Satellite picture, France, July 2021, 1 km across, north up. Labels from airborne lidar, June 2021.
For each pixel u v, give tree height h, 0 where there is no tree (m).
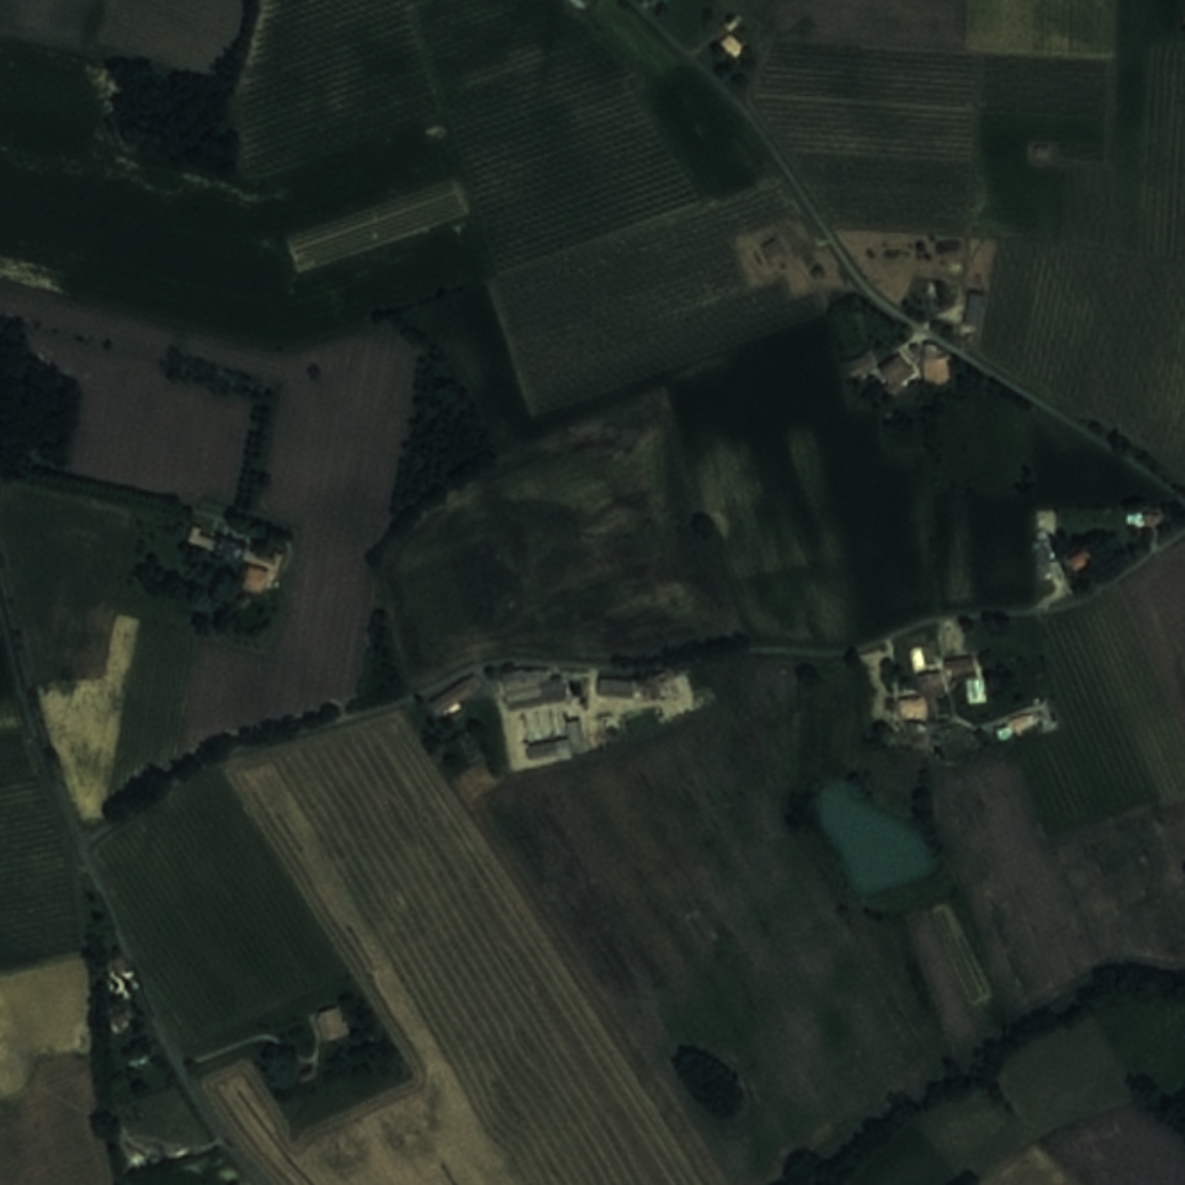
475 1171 0
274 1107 0
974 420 0
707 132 0
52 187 0
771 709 0
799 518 0
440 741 9
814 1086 0
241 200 0
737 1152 0
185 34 0
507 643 0
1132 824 0
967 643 0
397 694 7
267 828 0
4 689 0
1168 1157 0
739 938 0
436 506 11
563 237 0
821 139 0
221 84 16
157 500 11
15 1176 0
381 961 0
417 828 0
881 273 0
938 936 0
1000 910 0
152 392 0
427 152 0
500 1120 0
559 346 0
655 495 0
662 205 0
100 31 0
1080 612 0
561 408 0
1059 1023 9
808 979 0
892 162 0
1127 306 0
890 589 0
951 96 0
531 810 0
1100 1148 0
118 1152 12
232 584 24
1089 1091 0
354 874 0
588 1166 0
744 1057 0
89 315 0
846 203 0
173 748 0
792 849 0
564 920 0
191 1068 11
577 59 0
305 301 0
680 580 0
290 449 0
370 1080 0
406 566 0
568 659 0
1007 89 0
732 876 0
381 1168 0
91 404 0
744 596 0
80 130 0
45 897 0
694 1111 0
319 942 0
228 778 0
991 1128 0
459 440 12
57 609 0
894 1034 0
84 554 0
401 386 0
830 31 0
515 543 0
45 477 13
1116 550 18
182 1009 0
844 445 0
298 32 0
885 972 0
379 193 0
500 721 0
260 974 0
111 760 0
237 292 0
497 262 0
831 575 0
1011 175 0
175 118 18
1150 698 0
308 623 0
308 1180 0
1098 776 0
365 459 0
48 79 0
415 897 0
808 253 0
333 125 0
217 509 0
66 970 0
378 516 0
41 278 0
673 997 0
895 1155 0
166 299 0
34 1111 0
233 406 0
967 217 0
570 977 0
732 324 0
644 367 0
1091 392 0
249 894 0
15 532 0
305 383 0
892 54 0
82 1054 0
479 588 0
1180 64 0
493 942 0
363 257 0
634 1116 0
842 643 0
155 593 11
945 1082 7
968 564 0
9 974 0
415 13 0
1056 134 0
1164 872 0
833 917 0
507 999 0
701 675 0
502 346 0
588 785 0
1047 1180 0
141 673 0
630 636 0
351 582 0
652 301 0
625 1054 0
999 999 0
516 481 0
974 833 0
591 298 0
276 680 0
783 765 0
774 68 0
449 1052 0
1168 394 0
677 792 0
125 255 0
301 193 0
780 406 0
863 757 0
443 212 0
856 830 0
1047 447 0
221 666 0
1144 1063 0
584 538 0
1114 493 0
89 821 0
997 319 0
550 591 0
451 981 0
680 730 0
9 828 0
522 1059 0
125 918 0
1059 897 0
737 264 0
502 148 0
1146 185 0
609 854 0
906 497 0
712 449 0
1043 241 0
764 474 0
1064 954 0
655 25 0
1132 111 0
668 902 0
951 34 0
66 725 0
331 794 0
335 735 0
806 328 0
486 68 0
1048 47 0
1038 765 0
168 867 0
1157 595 0
